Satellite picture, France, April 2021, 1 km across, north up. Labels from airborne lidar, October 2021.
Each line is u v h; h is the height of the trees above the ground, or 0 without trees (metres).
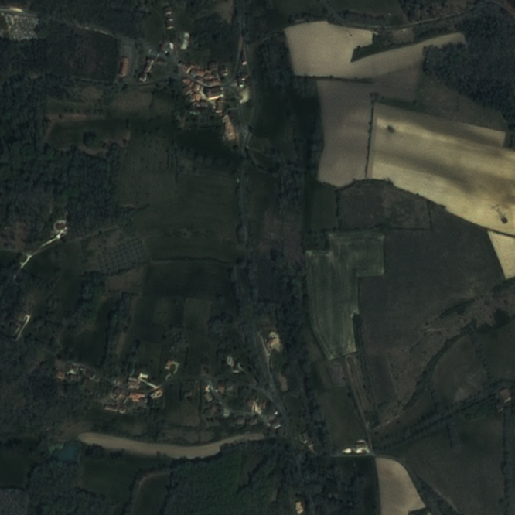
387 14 0
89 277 12
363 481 21
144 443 6
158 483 0
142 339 0
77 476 17
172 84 18
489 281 0
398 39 0
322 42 0
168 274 0
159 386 0
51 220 6
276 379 11
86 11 14
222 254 0
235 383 12
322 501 22
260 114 0
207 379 0
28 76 13
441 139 0
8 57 22
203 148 0
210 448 0
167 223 0
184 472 24
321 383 0
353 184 7
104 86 14
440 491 0
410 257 0
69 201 16
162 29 0
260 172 20
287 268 35
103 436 0
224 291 0
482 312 0
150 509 0
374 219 0
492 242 0
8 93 22
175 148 7
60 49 8
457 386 0
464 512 0
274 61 19
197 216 0
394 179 0
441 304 0
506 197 0
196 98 0
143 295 0
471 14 15
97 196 21
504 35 16
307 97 11
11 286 20
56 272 10
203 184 0
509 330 0
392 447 9
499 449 0
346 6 0
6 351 19
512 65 19
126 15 17
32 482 17
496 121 0
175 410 0
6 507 16
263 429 6
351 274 0
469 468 0
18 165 19
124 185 0
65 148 0
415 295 0
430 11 8
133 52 0
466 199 0
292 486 19
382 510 0
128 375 7
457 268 0
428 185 0
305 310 13
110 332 13
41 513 7
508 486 11
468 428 0
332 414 0
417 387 11
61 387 0
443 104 0
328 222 0
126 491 0
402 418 0
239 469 14
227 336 8
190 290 0
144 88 0
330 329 0
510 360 0
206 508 18
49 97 20
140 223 0
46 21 18
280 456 24
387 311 0
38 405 20
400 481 0
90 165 18
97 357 0
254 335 18
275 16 0
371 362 0
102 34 5
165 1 15
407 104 0
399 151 0
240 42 0
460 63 24
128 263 7
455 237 0
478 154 0
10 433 16
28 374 22
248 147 0
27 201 22
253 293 17
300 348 29
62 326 9
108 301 0
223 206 0
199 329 0
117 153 14
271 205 0
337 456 17
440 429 11
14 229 20
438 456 0
